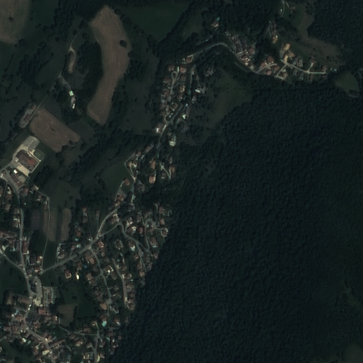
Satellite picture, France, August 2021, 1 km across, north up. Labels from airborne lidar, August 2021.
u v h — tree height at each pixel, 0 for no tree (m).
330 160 17
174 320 7
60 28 5
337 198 18
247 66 10
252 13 28
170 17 0
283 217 17
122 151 15
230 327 12
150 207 8
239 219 16
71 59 0
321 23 18
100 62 14
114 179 0
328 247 12
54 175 7
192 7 15
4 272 0
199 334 12
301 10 0
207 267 16
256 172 14
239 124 11
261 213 13
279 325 23
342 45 14
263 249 17
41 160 0
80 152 0
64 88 8
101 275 0
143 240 15
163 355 14
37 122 0
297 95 19
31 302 0
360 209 18
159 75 13
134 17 0
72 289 0
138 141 18
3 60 0
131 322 9
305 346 22
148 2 19
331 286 14
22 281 8
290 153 20
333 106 21
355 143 17
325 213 12
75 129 0
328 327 15
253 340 16
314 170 17
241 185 17
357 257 23
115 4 14
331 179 14
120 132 13
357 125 21
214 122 0
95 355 0
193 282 16
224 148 11
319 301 15
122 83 0
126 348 14
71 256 0
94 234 0
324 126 12
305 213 17
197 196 9
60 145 0
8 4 0
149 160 12
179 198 9
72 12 14
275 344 25
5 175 0
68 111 8
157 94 8
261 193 16
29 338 7
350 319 17
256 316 21
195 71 0
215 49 11
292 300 25
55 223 0
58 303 13
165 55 15
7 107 0
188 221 6
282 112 15
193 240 12
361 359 0
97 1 7
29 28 0
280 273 16
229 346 19
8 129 0
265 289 16
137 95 0
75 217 9
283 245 18
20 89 8
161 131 0
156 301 10
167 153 8
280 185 17
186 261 18
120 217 10
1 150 14
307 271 20
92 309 0
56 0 0
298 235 15
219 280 20
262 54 10
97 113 0
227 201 20
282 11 0
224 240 21
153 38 11
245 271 7
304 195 19
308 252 20
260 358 20
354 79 0
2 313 22
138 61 12
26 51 0
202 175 7
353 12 13
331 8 12
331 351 16
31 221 9
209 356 15
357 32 12
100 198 8
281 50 0
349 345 17
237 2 20
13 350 0
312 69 0
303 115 15
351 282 14
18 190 0
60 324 7
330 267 14
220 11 19
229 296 19
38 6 0
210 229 7
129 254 15
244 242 17
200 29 0
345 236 18
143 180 7
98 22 0
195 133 13
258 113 16
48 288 0
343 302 20
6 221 15
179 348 17
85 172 7
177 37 18
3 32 0
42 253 0
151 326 15
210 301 16
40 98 0
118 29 0
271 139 13
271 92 18
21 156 0
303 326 27
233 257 16
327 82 10
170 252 16
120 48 0
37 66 12
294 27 11
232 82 0
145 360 12
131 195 11
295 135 19
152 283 14
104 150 8
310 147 27
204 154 10
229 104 0
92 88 7
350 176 17
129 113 0
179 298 18
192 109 0
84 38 6
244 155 16
